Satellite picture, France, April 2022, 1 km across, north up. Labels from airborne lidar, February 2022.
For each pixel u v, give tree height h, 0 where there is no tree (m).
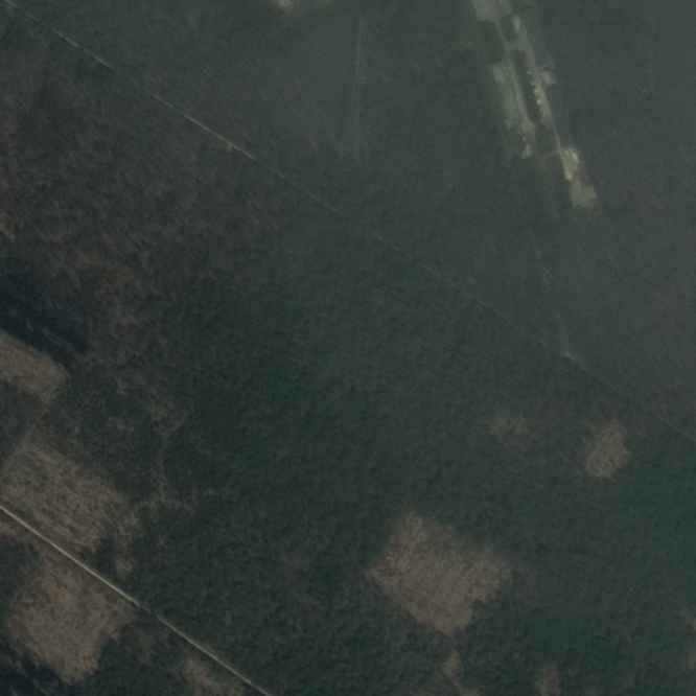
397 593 0
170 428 21
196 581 25
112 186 16
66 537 0
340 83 0
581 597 23
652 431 24
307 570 21
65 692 13
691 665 0
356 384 20
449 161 28
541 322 27
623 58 28
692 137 24
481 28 0
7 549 22
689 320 30
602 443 0
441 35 28
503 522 24
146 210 21
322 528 23
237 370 24
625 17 26
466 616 0
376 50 28
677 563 24
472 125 27
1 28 8
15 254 19
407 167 25
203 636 17
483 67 0
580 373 19
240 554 22
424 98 29
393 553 0
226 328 24
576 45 28
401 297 24
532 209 24
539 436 21
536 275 26
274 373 27
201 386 24
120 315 0
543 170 0
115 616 0
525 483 25
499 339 19
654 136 27
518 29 0
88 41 28
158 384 25
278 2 0
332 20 0
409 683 20
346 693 18
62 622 0
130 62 25
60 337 14
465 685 20
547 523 19
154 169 27
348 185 21
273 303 22
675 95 0
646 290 30
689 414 27
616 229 25
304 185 27
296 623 21
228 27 26
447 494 26
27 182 28
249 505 25
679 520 22
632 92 26
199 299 24
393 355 19
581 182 0
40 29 27
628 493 21
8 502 0
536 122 0
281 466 22
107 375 21
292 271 27
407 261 20
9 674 20
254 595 17
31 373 0
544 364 23
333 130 21
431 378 23
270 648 17
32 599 0
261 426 27
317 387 27
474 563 0
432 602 0
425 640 19
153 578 21
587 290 29
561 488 22
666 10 0
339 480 26
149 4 29
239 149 0
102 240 22
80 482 0
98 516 0
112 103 28
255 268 26
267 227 27
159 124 28
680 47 0
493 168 27
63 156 25
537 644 24
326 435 20
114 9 28
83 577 0
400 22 28
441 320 23
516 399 16
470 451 24
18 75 26
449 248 24
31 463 0
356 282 18
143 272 24
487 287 24
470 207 27
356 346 25
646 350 28
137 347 21
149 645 0
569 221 26
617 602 19
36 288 20
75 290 19
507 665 23
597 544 27
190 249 19
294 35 0
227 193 26
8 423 22
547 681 0
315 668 23
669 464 25
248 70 28
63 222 0
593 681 27
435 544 0
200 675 0
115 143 27
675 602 16
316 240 22
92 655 0
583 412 24
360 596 21
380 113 29
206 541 22
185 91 27
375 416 17
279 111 28
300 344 19
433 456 24
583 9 30
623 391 0
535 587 0
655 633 20
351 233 21
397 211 21
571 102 24
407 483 24
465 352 26
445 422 11
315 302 24
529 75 0
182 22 28
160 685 28
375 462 22
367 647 18
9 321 18
